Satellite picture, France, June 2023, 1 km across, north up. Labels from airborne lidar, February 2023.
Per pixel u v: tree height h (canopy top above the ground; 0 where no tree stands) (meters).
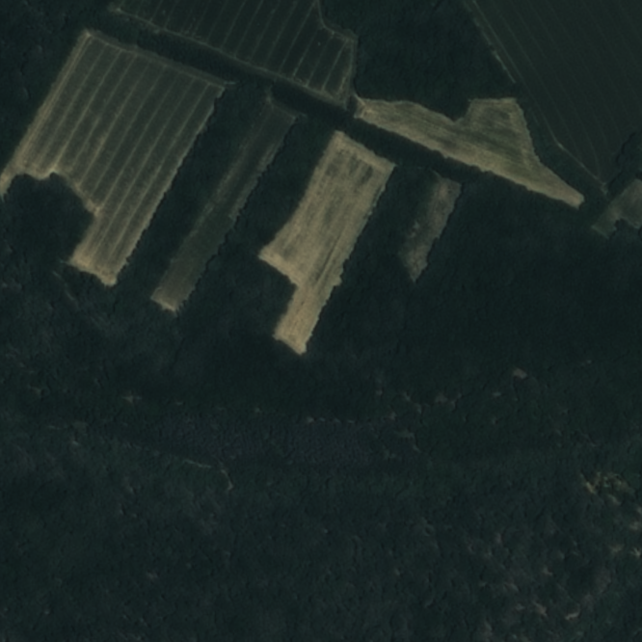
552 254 24
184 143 0
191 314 21
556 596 22
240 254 23
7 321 28
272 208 19
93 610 24
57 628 26
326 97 0
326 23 0
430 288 21
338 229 0
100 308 26
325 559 25
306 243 0
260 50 0
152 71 0
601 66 0
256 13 0
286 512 25
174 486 20
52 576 23
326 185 0
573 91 0
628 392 18
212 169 24
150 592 25
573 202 0
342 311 12
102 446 19
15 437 20
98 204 0
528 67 0
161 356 22
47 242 27
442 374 21
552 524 27
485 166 0
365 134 16
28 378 24
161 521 25
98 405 19
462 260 28
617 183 15
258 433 18
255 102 22
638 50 0
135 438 20
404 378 19
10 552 26
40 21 26
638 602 23
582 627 21
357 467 18
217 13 0
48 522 29
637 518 21
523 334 23
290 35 0
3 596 21
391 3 21
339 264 0
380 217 17
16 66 18
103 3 16
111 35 17
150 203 0
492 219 28
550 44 0
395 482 16
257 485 18
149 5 0
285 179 19
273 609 29
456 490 19
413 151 19
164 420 16
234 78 10
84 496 23
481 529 26
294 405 22
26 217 24
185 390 21
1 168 20
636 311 26
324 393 23
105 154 0
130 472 19
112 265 0
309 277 0
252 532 24
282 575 24
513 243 25
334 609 24
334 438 19
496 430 18
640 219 0
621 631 18
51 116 0
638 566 22
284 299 21
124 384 19
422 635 27
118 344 20
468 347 24
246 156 0
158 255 20
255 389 20
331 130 19
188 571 23
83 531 21
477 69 24
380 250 25
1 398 18
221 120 21
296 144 15
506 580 23
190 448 22
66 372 21
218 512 25
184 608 28
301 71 0
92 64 0
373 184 0
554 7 0
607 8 0
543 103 0
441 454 18
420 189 21
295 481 15
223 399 21
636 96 0
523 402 21
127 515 20
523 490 18
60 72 11
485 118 0
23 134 17
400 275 22
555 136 0
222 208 0
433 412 16
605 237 12
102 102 0
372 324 20
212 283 26
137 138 0
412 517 23
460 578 27
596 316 25
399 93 21
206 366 24
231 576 26
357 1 19
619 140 0
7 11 26
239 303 24
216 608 23
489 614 26
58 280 25
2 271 30
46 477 25
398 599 26
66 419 19
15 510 26
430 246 0
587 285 26
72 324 26
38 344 28
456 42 21
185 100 0
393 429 19
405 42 21
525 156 0
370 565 26
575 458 13
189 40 0
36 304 27
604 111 0
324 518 20
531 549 25
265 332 22
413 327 22
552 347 25
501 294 21
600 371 19
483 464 19
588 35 0
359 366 16
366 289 16
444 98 20
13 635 23
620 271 28
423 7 19
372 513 19
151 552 26
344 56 0
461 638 28
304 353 0
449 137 0
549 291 24
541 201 18
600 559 26
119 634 23
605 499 15
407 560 25
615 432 18
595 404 18
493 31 0
